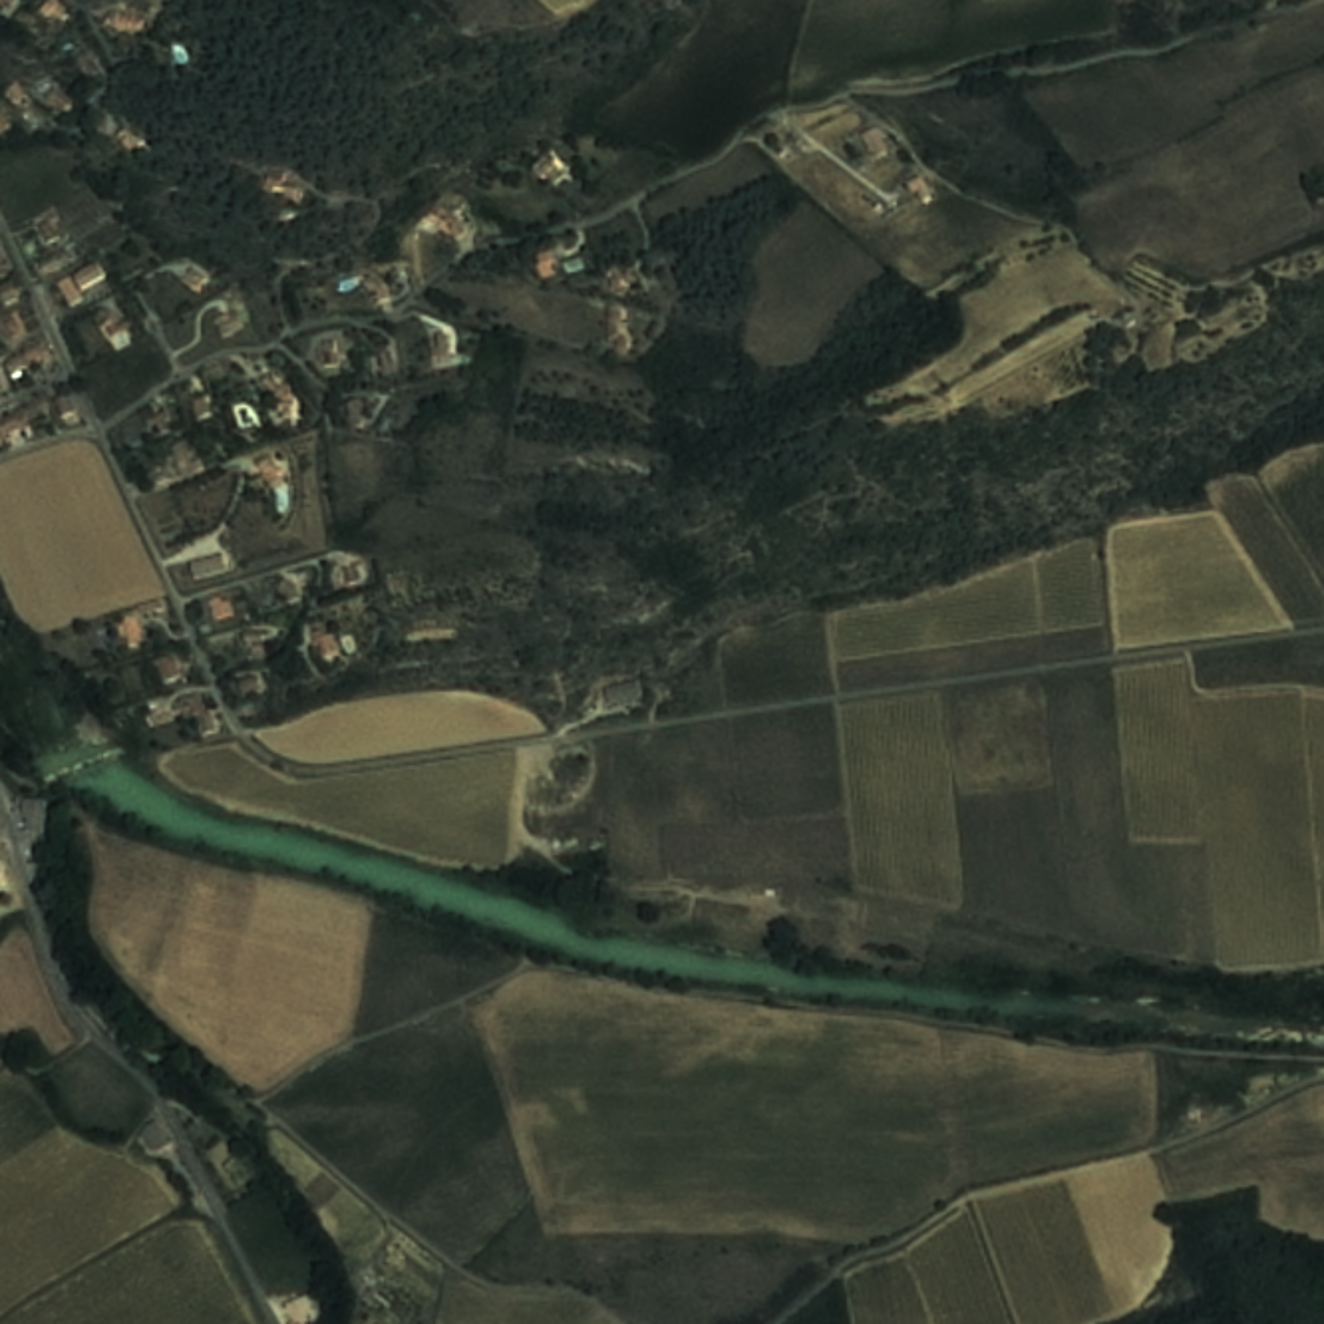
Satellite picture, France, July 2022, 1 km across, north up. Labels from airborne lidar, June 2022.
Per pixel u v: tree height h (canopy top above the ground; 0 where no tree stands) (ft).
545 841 0
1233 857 0
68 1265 0
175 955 0
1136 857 0
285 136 51
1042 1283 0
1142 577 0
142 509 0
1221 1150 0
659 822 0
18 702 0
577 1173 0
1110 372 44
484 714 0
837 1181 0
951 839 0
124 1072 0
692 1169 0
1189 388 24
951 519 58
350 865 0
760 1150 0
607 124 0
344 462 0
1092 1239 0
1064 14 0
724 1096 0
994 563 49
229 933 0
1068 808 0
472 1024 0
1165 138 0
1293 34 0
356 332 20
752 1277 0
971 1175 0
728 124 0
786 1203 0
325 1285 72
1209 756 0
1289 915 0
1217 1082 0
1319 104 0
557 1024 0
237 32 36
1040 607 0
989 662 0
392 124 49
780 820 0
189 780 0
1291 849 0
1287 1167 0
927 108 0
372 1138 0
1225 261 0
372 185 55
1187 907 0
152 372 0
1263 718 0
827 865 0
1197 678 0
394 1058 0
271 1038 0
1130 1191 0
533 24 0
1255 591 0
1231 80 0
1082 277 0
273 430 29
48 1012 0
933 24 0
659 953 0
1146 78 0
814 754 0
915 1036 0
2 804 0
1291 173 0
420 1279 0
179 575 0
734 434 31
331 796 0
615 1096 0
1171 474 31
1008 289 0
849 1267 0
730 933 0
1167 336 0
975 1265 0
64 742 0
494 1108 0
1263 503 0
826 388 18
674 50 0
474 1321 0
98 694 37
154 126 33
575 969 27
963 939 0
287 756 0
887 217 0
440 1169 0
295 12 35
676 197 0
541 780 0
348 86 53
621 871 0
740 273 53
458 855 0
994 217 0
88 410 0
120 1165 0
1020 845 0
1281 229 0
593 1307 0
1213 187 0
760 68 0
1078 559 0
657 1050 0
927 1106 0
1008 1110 0
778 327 0
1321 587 0
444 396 30
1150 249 0
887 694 0
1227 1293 22
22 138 41
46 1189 0
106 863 0
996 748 0
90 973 33
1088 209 0
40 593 0
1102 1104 0
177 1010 0
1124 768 0
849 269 0
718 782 0
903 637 0
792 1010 0
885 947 25
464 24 0
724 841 0
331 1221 0
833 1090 0
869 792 0
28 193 0
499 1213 0
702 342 21
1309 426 43
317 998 0
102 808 68
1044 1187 0
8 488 0
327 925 0
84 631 54
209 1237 0
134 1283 0
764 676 0
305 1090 0
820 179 0
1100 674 0
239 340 0
